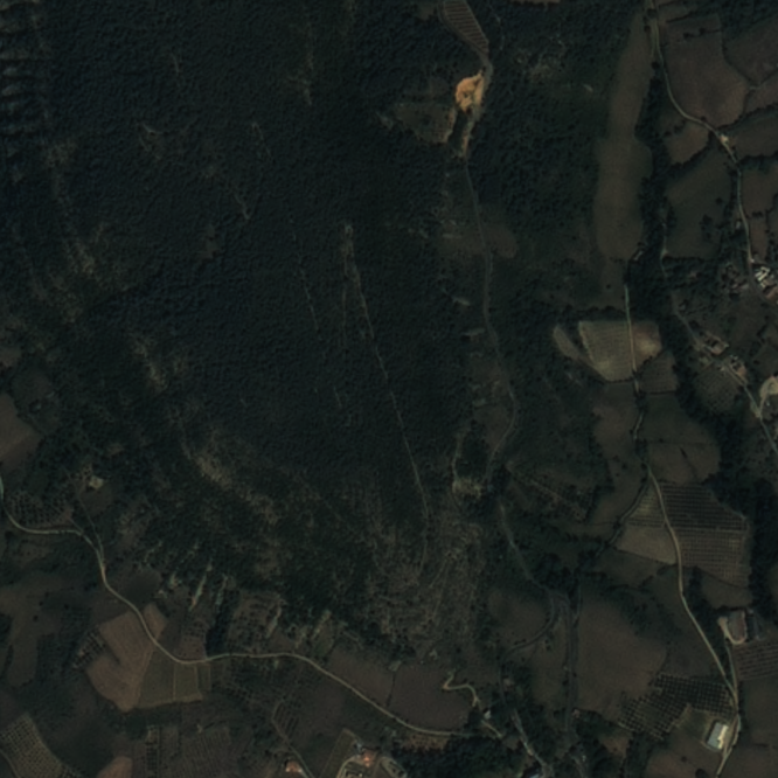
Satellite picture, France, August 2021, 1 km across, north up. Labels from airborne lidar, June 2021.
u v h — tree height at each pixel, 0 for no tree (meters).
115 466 8
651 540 0
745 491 9
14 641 0
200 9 8
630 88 0
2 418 0
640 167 0
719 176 0
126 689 0
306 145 13
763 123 0
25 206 8
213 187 11
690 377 14
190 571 8
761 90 0
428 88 8
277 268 8
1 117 8
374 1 19
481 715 6
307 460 9
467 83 0
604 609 0
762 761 0
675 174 14
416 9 9
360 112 13
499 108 10
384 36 21
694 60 0
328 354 8
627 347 0
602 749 12
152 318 7
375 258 9
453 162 7
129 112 8
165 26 6
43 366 8
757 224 0
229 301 11
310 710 0
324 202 11
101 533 5
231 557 7
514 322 7
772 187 0
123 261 9
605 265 0
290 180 10
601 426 0
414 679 0
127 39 7
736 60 0
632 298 10
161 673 0
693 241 0
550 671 0
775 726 0
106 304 6
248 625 6
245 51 12
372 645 11
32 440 0
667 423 0
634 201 0
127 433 8
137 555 7
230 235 9
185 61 9
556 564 20
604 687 0
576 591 10
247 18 10
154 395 7
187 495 5
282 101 8
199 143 8
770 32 0
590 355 0
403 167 13
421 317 8
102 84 8
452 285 9
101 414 10
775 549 12
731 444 12
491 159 14
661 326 8
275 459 8
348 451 8
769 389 0
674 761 0
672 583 0
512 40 8
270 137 11
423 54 16
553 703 0
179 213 10
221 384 7
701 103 0
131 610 0
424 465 8
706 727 0
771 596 10
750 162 12
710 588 0
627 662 0
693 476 0
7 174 7
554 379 6
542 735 9
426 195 14
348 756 0
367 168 9
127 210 9
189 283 8
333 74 9
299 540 6
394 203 8
